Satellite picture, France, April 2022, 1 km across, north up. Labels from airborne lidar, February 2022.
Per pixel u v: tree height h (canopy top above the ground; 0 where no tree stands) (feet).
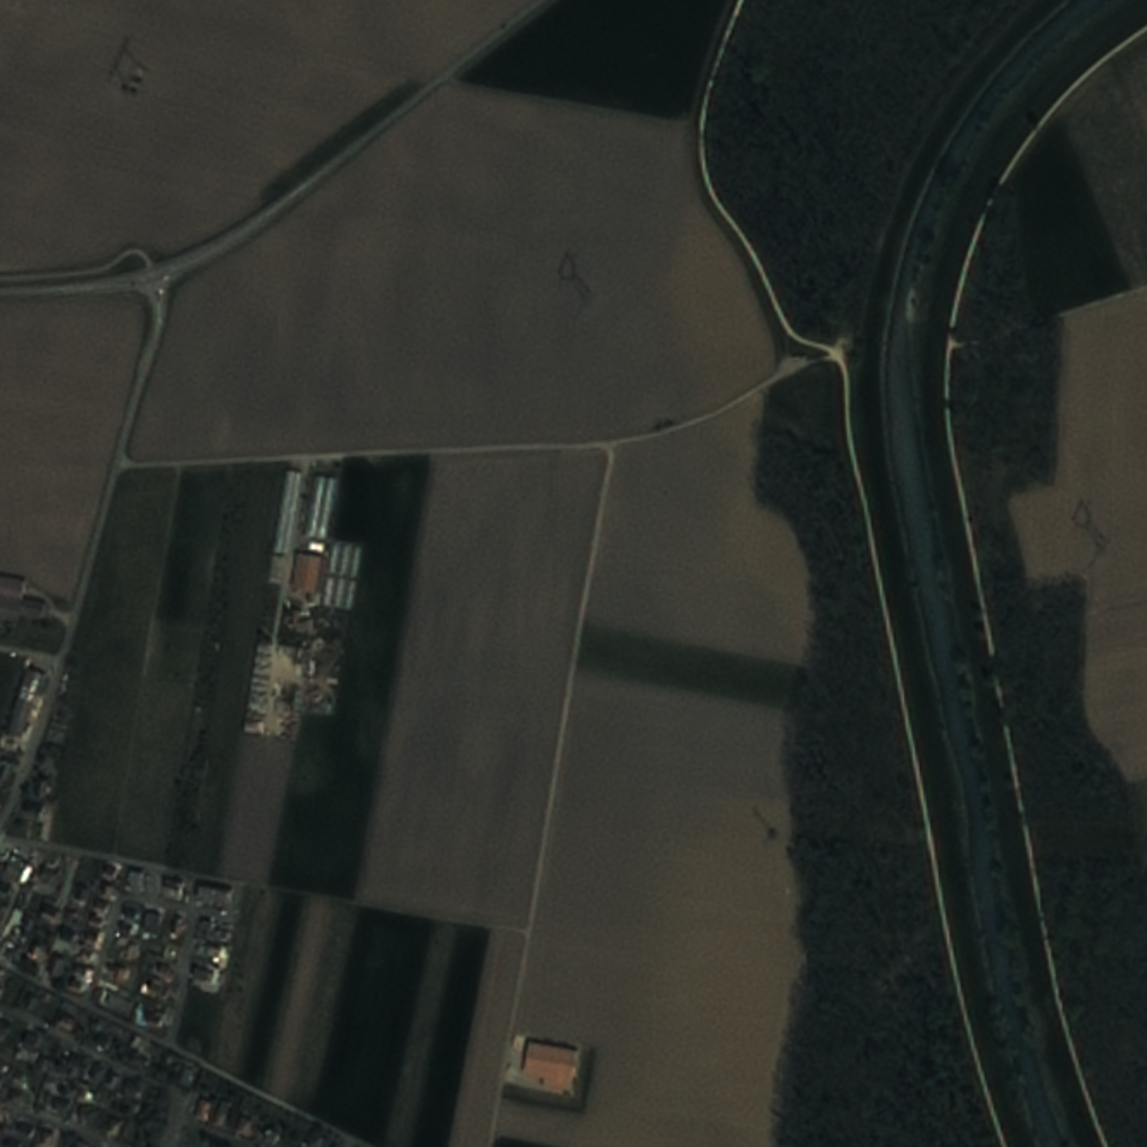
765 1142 0
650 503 0
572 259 0
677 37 0
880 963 59
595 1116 0
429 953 0
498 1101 0
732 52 56
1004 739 0
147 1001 0
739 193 55
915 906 58
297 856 0
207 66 0
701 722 0
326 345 0
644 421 0
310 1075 0
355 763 0
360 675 0
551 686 0
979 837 0
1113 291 0
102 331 0
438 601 0
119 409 0
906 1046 65
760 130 54
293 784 0
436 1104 0
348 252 0
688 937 0
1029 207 0
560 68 0
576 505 0
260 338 0
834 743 80
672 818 0
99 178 0
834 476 62
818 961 41
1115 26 0
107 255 0
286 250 0
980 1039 0
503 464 0
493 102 0
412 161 0
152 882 0
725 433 0
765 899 0
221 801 0
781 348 0
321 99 0
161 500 0
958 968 0
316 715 0
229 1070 0
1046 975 0
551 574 0
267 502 0
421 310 0
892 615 0
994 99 0
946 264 0
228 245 0
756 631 0
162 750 0
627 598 0
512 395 0
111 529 0
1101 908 62
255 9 0
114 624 0
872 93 63
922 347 0
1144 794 0
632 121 0
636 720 0
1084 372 0
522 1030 0
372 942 0
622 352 0
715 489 0
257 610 0
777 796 0
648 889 0
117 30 0
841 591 58
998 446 46
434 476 0
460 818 0
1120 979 66
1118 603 0
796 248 57
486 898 0
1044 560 0
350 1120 0
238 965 0
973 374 65
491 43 0
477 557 0
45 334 0
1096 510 0
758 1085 0
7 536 0
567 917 0
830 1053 67
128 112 0
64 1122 0
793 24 75
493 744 0
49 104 0
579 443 0
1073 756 52
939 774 0
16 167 0
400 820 0
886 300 0
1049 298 0
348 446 0
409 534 0
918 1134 71
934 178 0
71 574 0
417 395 0
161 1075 29
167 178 0
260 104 0
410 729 0
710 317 0
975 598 0
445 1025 0
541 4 0
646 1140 0
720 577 0
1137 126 0
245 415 0
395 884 0
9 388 0
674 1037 0
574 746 0
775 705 0
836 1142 59
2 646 0
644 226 0
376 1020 0
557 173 0
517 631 0
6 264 0
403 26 0
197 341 0
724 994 0
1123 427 0
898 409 0
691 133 0
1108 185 0
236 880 0
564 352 0
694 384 0
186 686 0
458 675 0
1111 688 0
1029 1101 40
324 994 0
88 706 0
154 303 0
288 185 0
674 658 0
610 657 0
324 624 0
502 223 0
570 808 0
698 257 0
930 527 0
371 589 0
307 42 0
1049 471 71
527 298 0
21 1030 0
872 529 0
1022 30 0
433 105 0
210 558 0
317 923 0
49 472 0
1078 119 0
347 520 0
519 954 0
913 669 0
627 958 0
